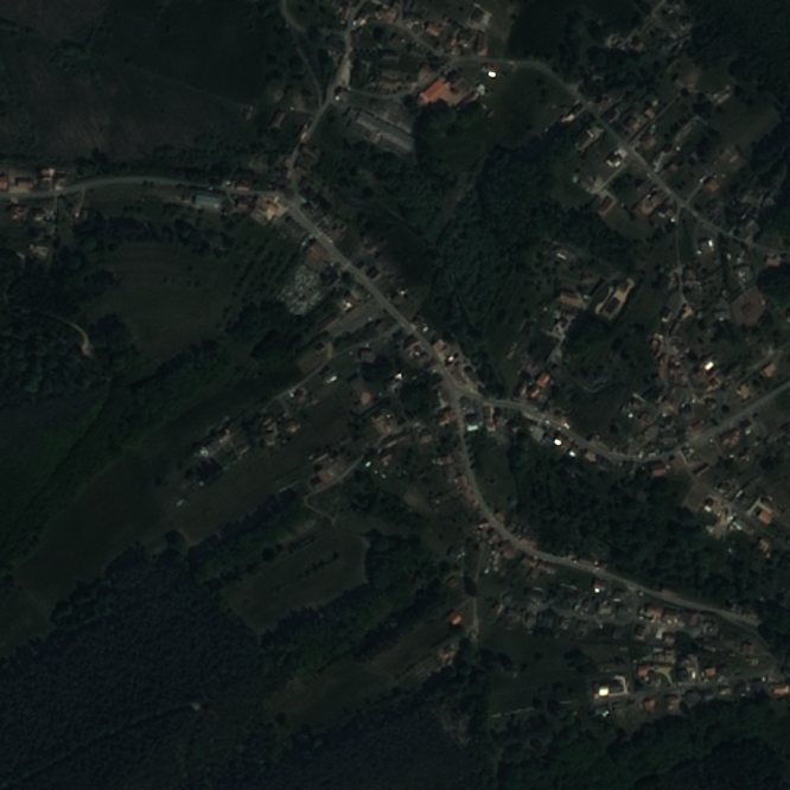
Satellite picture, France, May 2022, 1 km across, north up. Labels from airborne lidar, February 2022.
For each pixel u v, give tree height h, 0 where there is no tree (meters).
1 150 0
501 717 0
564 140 27
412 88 0
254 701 25
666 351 0
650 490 17
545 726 23
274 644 25
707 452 0
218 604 27
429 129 22
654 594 0
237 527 0
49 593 0
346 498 0
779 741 0
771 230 23
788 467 0
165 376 27
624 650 0
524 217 22
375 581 24
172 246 0
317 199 7
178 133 0
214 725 23
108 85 0
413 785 22
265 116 0
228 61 0
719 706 22
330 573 0
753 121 0
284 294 0
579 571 0
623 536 10
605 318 0
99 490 0
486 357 12
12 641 0
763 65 15
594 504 13
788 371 0
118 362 30
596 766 27
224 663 27
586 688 0
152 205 0
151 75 0
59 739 30
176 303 0
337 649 21
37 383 25
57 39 0
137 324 0
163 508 0
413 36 0
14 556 27
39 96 0
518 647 0
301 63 18
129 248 0
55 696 32
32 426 23
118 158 0
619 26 0
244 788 25
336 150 0
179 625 28
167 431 0
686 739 30
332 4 0
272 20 21
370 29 0
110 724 25
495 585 0
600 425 0
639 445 0
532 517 22
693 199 0
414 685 0
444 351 0
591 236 28
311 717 0
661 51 0
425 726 25
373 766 24
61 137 0
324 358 0
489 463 0
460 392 0
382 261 0
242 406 0
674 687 0
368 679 0
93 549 0
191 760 27
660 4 0
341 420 0
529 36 0
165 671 29
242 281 7
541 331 0
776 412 0
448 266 19
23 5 0
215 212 0
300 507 22
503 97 0
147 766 25
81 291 21
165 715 29
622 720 0
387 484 0
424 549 21
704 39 17
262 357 25
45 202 0
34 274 23
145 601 32
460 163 0
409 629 20
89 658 30
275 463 0
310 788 22
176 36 0
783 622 25
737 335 22
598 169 0
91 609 16
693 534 22
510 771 27
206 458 0
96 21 0
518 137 0
